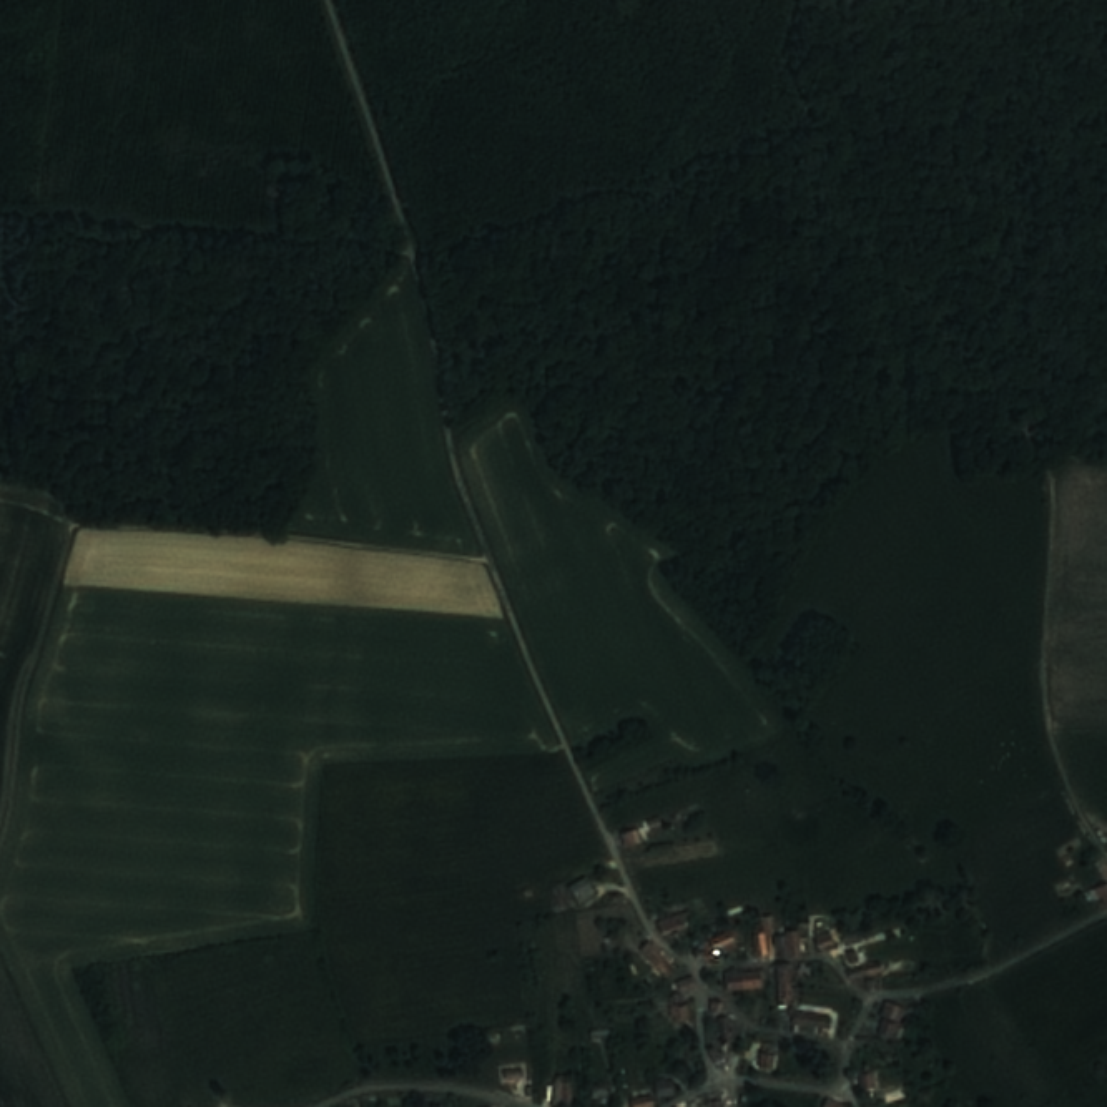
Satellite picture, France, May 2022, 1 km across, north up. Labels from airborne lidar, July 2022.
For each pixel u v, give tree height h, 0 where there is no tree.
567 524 0
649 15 14
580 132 13
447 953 0
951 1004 0
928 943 0
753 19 15
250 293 24
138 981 0
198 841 0
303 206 26
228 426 24
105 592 0
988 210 20
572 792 0
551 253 28
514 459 0
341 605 0
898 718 0
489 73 14
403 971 0
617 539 0
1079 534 0
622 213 24
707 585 17
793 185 27
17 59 17
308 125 5
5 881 0
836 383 25
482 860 0
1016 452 26
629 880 0
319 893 0
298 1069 0
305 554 0
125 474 23
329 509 0
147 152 7
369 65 14
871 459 19
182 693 0
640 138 15
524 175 15
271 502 20
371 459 0
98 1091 0
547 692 0
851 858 0
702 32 18
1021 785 0
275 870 0
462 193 15
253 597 0
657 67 15
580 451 27
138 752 0
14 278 25
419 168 17
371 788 0
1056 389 27
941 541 0
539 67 12
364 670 0
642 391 24
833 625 16
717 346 28
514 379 20
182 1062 0
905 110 26
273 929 0
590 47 16
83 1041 0
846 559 0
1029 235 15
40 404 30
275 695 0
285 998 0
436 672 0
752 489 26
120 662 0
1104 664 0
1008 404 24
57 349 18
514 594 0
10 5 21
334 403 0
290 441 25
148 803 0
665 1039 0
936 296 18
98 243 16
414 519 0
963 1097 0
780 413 20
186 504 23
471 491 0
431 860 0
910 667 0
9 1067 0
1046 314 26
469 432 0
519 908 0
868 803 19
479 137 14
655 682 0
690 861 0
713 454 28
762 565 30
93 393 20
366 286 22
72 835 0
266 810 0
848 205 20
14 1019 0
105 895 0
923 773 0
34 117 15
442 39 20
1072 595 0
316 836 0
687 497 27
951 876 0
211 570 0
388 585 0
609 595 0
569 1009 9
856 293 28
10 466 15
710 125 16
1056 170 27
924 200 22
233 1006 0
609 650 0
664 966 0
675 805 0
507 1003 0
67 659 0
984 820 0
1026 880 0
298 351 27
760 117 16
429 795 0
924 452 0
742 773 0
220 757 0
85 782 0
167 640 0
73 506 23
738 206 23
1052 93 29
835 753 0
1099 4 25
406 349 0
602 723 0
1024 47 24
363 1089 0
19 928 0
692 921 7
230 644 0
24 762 0
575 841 0
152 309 28
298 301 23
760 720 0
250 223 7
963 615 0
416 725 0
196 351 17
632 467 26
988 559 0
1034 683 0
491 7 19
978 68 23
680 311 19
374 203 15
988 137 25
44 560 0
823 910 0
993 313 19
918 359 28
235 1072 0
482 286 26
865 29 25
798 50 28
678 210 23
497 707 0
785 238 24
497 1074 0
